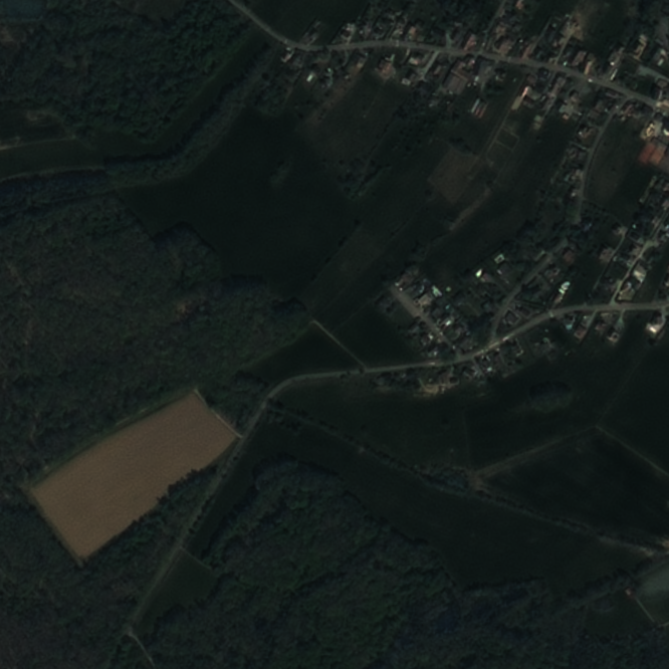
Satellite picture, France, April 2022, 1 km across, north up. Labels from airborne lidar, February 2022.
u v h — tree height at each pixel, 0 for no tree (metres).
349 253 0
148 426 0
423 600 25
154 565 27
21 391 30
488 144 0
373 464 0
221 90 0
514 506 9
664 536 0
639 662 21
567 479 0
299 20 0
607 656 17
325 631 27
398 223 0
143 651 8
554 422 0
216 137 16
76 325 30
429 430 0
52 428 15
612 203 0
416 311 0
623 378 0
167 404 0
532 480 0
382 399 0
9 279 30
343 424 0
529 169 0
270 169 0
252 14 0
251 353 27
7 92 17
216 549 17
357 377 0
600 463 0
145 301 30
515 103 0
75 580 30
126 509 0
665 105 0
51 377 28
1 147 0
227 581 21
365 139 0
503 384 0
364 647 27
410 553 18
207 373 30
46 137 0
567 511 0
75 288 28
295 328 26
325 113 7
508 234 0
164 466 0
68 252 25
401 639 16
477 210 0
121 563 15
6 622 30
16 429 27
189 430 0
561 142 0
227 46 23
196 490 21
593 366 0
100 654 29
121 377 32
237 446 0
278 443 0
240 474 0
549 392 23
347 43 0
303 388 0
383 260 0
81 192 22
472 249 0
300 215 0
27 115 0
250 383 20
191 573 0
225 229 0
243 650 26
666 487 0
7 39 0
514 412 0
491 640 21
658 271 0
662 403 0
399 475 0
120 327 29
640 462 0
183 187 0
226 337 32
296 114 0
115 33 25
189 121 0
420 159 0
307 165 0
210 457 0
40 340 29
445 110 6
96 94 25
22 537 31
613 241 0
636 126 0
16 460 31
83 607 30
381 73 0
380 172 8
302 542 28
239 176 0
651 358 0
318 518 26
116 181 16
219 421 0
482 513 0
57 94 15
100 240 26
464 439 0
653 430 0
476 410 0
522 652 23
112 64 27
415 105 6
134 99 26
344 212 0
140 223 21
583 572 0
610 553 0
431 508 0
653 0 23
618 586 15
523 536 0
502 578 0
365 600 29
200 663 24
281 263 0
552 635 22
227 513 0
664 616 0
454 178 0
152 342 23
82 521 0
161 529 26
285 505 13
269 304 22
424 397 0
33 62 22
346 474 0
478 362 10
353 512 26
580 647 24
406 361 0
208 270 20
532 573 0
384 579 29
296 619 25
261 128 0
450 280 0
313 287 0
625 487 0
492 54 0
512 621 21
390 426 0
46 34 18
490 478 0
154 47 14
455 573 0
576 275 6
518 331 0
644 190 0
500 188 0
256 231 0
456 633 25
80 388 32
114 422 30
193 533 11
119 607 34
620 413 0
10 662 28
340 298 0
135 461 0
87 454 0
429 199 9
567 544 0
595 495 0
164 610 0
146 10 0
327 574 9
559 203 0
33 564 27
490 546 0
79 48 30
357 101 0
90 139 18
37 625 27
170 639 28
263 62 18
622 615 0
